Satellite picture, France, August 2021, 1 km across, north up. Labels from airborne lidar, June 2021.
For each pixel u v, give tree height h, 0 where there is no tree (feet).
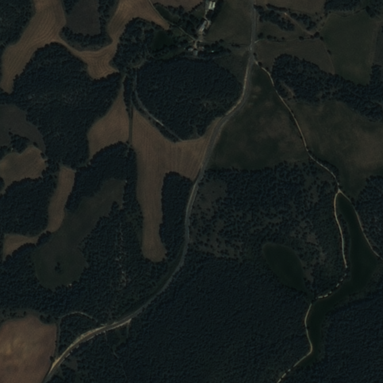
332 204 27
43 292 44
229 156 0
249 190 22
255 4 0
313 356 0
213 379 20
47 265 0
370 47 0
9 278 37
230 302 63
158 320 32
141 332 28
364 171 0
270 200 35
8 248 0
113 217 22
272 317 46
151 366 44
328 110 0
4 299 31
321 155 0
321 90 29
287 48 0
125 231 22
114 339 24
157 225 0
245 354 49
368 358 26
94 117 60
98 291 29
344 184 0
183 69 32
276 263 0
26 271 40
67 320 28
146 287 40
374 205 29
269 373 60
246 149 0
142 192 0
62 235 0
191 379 38
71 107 28
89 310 38
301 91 42
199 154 0
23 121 0
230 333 43
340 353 38
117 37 0
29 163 0
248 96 0
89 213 0
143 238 0
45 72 50
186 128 29
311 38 30
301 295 50
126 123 0
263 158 0
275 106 0
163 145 0
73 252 0
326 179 0
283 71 23
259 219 32
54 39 0
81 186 60
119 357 36
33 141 0
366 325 39
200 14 0
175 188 47
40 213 55
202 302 40
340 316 35
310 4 0
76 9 0
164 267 38
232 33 0
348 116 0
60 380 41
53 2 0
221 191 0
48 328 0
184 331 36
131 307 26
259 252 40
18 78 42
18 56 0
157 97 40
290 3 0
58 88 35
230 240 36
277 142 0
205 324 38
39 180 41
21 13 22
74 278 0
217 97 26
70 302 36
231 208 26
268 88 0
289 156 0
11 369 0
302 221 21
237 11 0
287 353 41
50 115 37
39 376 0
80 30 0
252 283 49
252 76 0
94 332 0
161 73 55
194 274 23
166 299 19
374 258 0
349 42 0
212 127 0
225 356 45
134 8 0
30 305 23
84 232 0
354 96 40
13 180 0
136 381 61
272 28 0
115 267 23
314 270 23
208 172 20
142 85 40
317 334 0
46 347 0
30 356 0
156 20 0
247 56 0
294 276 0
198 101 40
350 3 50
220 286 58
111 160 59
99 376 37
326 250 19
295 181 31
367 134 0
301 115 0
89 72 0
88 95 42
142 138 0
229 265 32
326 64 0
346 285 0
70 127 42
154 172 0
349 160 0
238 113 0
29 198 54
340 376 25
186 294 27
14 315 31
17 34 50
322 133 0
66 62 25
